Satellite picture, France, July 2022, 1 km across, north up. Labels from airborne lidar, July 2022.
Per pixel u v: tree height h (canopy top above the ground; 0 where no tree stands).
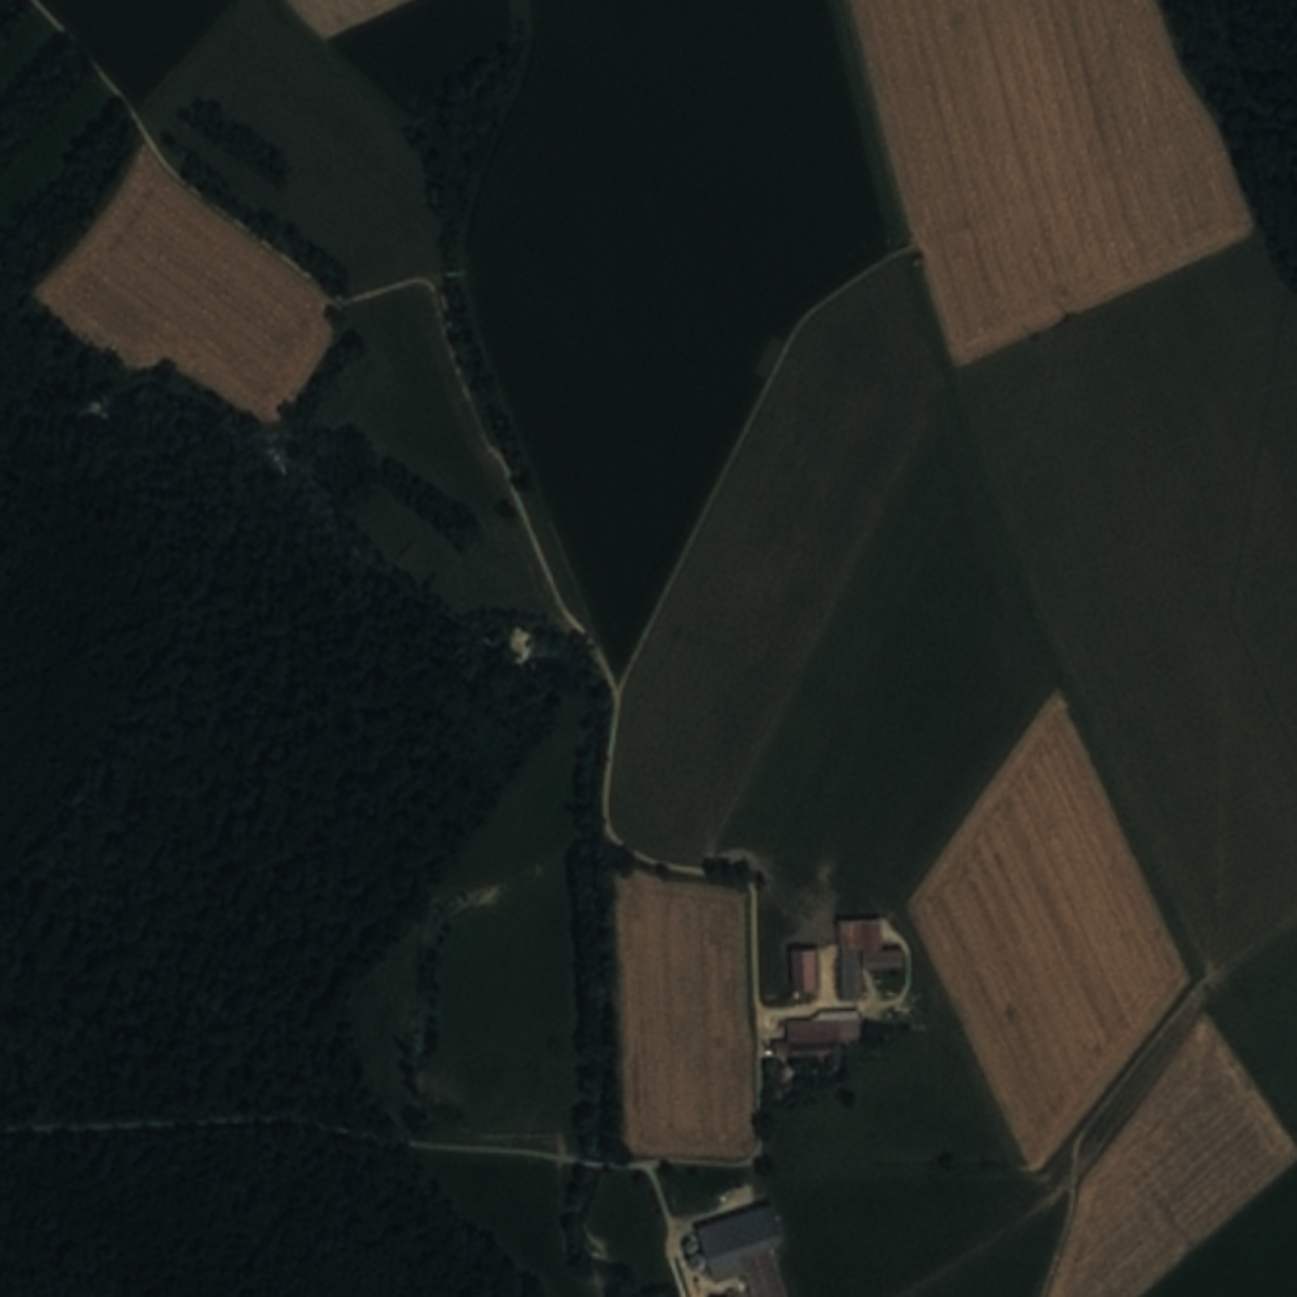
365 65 0
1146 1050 0
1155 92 0
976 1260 0
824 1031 0
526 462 8
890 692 0
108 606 14
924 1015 0
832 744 0
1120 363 0
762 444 0
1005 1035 0
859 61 0
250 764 18
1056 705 0
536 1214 0
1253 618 0
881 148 0
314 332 0
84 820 27
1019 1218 0
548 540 0
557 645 20
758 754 0
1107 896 0
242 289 0
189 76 0
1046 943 0
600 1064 18
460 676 8
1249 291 0
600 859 21
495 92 17
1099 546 0
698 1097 0
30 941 28
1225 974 0
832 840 0
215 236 0
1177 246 0
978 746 0
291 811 25
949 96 0
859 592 0
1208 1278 0
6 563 9
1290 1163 0
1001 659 0
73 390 22
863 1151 0
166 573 21
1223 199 0
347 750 12
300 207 0
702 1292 0
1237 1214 0
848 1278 0
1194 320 0
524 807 0
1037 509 0
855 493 0
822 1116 0
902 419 0
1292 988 0
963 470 0
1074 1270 0
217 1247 15
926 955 0
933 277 0
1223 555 0
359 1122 26
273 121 0
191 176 15
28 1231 16
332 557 20
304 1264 17
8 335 32
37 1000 20
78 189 8
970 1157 0
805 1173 0
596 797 10
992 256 0
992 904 0
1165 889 0
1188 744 0
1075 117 0
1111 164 0
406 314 0
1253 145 28
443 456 0
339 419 0
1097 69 0
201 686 26
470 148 9
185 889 14
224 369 0
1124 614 0
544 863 0
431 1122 20
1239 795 0
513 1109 0
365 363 0
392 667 20
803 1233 0
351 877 28
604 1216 0
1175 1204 0
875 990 0
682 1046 0
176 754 28
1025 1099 0
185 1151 20
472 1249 18
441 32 0
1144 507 0
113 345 0
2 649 15
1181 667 0
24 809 11
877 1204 0
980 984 0
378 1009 0
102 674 13
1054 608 0
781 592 0
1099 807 0
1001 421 0
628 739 0
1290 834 0
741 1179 0
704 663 0
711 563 0
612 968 20
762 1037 0
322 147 0
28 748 12
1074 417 0
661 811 0
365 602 13
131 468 22
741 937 0
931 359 0
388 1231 16
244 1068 9
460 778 6
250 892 16
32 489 12
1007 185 0
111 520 13
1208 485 0
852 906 0
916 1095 0
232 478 12
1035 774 0
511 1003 0
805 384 0
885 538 0
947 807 0
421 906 26
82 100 0
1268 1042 0
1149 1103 0
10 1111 12
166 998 23
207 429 19
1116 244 0
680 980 0
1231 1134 0
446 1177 0
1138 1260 0
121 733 23
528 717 8
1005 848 0
